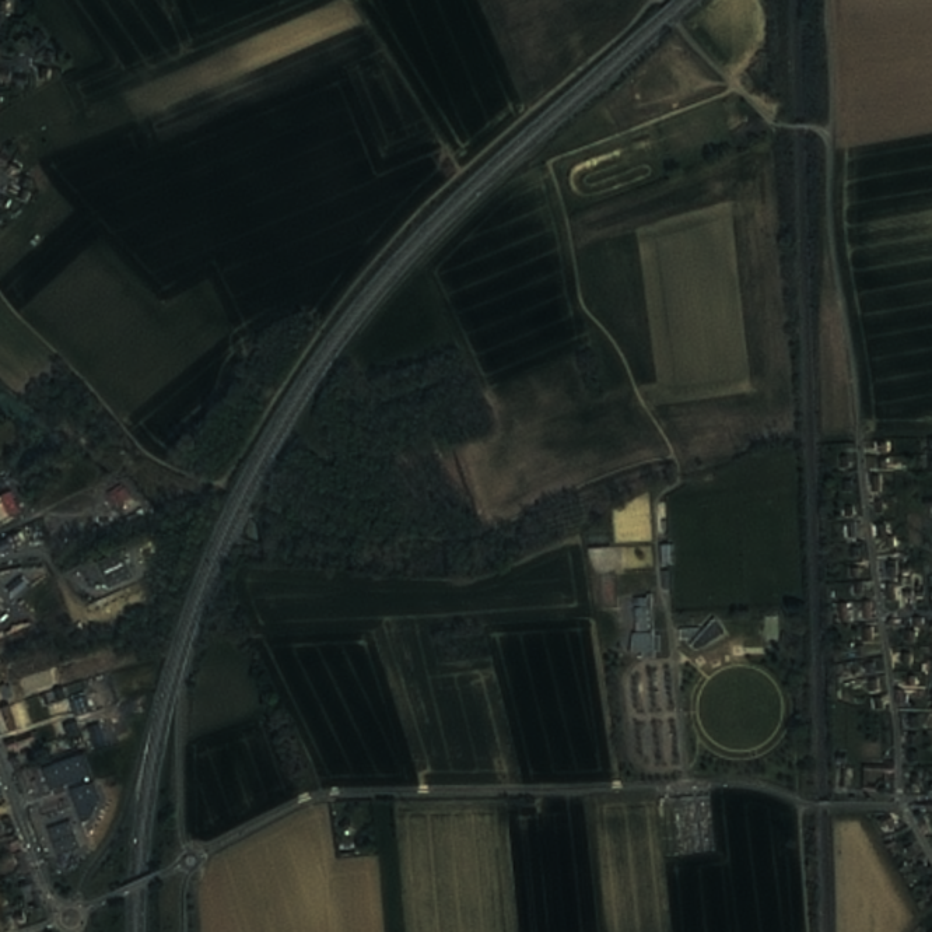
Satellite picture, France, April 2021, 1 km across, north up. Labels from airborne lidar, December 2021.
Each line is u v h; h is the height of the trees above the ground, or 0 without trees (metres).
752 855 0
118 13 0
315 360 0
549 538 22
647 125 0
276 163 0
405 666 0
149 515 8
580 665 0
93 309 0
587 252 0
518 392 0
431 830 0
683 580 0
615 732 11
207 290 0
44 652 27
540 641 0
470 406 23
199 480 22
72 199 0
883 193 0
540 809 0
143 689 0
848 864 0
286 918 0
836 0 0
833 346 0
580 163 0
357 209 0
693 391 0
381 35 0
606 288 0
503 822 0
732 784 0
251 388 11
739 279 0
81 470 0
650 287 0
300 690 0
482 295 0
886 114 0
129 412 0
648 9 0
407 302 0
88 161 0
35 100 0
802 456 12
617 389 0
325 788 0
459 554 29
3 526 0
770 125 0
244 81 0
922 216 0
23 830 0
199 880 0
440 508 24
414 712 0
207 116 0
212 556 0
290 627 0
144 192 0
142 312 0
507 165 0
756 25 0
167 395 0
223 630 19
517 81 0
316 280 0
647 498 0
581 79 0
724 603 0
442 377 16
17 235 0
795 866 0
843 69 0
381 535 18
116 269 0
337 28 0
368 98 0
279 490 22
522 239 0
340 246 0
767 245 0
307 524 16
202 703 0
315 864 0
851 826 0
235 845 0
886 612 0
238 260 0
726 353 0
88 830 0
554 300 0
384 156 0
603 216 0
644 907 0
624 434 0
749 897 0
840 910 0
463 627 16
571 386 0
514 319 0
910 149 0
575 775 0
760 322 0
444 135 0
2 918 0
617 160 0
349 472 16
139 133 0
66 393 18
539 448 0
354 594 0
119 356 0
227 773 0
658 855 0
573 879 0
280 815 0
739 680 0
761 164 0
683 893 0
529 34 0
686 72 0
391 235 0
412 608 0
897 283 0
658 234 0
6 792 0
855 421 0
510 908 0
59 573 10
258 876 0
